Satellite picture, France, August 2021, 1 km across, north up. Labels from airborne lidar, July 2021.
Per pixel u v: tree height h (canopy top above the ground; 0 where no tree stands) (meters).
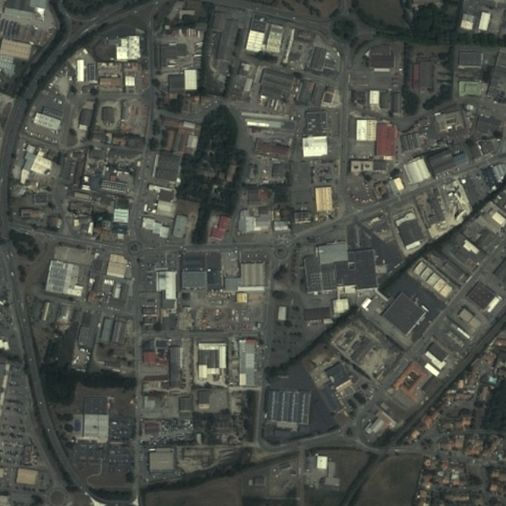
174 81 0
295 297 0
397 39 16
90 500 0
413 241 0
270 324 0
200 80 10
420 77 0
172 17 0
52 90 0
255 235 0
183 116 0
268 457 0
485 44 16
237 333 0
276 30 0
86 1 10
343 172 0
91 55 0
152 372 0
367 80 0
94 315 0
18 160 0
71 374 12
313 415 0
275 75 0
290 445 0
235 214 0
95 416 0
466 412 11
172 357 0
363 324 0
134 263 0
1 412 0
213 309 0
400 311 0
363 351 0
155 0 0
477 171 0
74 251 0
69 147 0
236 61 0
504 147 0
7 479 0
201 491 0
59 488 0
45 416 0
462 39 13
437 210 0
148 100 0
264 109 0
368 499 0
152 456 0
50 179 0
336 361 0
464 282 0
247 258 0
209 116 10
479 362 0
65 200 0
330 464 0
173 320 0
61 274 0
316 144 0
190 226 0
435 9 16
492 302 0
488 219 0
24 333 0
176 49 0
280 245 0
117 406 0
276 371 18
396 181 0
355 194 0
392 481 0
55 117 0
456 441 0
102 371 9
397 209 0
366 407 0
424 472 6
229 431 0
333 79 0
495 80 0
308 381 0
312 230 0
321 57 0
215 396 0
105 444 0
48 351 10
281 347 0
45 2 0
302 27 0
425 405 0
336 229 0
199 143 8
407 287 0
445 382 0
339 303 0
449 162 0
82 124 0
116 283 0
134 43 0
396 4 0
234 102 0
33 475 0
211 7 11
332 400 0
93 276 0
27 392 0
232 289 0
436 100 12
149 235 0
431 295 0
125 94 0
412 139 0
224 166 16
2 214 0
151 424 0
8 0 0
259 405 0
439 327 0
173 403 0
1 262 0
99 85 0
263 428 6
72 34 0
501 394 17
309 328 0
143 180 0
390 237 0
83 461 0
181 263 0
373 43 0
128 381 13
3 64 0
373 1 0
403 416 0
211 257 0
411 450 0
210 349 0
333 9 0
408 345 0
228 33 0
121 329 0
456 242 0
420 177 0
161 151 6
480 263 0
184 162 11
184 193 12
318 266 0
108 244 0
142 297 0
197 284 0
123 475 0
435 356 0
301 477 0
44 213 0
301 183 0
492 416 10
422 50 0
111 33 0
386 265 0
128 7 11
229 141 10
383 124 0
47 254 0
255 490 0
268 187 10
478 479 12
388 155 0
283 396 0
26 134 0
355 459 0
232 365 0
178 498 0
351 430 9
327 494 0
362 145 0
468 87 0
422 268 0
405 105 8
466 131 0
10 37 0
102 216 7
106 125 0
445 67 13
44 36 0
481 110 0
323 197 0
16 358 11
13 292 0
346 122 0
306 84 0
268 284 0
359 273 0
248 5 0
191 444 10
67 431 7
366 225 0
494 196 12
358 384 0
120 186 0
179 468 0
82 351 0
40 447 0
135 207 0
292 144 0
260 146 0
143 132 0
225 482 0
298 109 0
